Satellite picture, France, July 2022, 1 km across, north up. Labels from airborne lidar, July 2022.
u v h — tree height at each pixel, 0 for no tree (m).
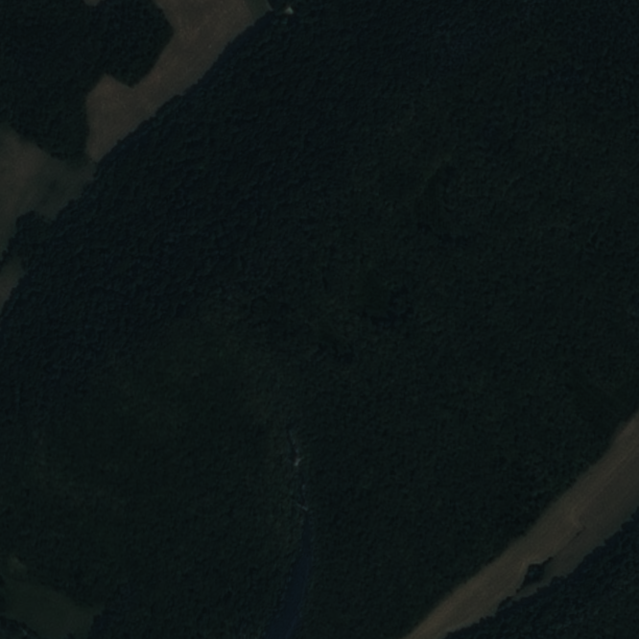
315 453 13
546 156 17
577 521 0
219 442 21
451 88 20
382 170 18
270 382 8
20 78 19
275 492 15
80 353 13
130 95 0
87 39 24
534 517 8
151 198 27
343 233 20
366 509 16
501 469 16
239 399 20
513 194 15
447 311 18
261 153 31
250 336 14
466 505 11
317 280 20
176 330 15
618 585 11
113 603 19
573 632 12
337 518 17
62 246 24
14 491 26
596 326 18
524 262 15
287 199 26
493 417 15
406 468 12
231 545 22
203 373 18
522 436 16
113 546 20
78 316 26
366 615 11
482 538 17
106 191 21
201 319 12
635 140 18
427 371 15
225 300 16
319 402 15
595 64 15
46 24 20
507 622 16
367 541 12
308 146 28
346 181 20
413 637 0
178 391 18
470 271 16
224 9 0
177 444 18
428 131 16
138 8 20
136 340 21
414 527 14
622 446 0
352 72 26
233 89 26
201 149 24
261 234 25
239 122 25
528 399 14
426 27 26
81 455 20
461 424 15
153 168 31
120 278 24
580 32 18
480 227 16
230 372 18
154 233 25
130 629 29
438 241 17
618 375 16
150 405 18
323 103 25
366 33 29
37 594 0
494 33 19
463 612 0
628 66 17
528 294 18
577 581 23
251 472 21
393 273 21
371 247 15
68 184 0
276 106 32
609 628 16
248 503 16
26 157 0
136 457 22
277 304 20
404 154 18
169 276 26
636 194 15
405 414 15
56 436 16
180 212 29
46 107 19
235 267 30
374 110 19
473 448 16
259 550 21
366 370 15
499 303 14
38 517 21
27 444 18
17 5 17
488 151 21
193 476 21
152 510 21
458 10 28
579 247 15
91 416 15
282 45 23
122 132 0
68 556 21
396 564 13
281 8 16
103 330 24
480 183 13
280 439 12
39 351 30
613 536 0
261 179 27
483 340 19
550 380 16
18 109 18
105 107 0
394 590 13
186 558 24
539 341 18
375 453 14
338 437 20
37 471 15
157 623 24
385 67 19
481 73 16
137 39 12
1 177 0
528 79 24
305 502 17
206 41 0
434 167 17
